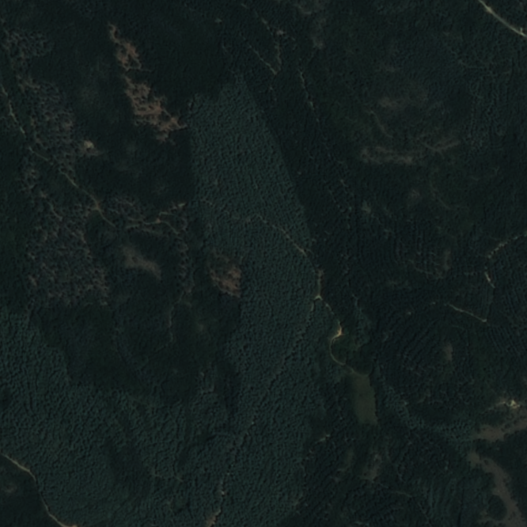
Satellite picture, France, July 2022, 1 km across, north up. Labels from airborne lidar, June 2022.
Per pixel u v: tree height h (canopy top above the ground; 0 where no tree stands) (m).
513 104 12
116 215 19
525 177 7
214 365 10
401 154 8
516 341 17
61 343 9
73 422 16
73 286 17
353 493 17
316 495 19
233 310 14
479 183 7
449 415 14
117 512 11
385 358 10
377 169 12
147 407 11
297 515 12
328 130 20
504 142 16
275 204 17
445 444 14
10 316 13
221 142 18
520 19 17
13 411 14
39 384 12
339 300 17
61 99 15
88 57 7
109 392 15
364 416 0
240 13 18
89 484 14
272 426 16
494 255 5
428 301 14
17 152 12
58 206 11
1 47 20
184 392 8
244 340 22
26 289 21
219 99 17
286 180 20
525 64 10
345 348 6
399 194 9
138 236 14
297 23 13
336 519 6
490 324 7
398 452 10
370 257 11
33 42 22
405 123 8
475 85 13
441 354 9
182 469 17
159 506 25
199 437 17
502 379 8
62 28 6
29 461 13
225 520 18
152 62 14
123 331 7
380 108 7
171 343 7
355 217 13
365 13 14
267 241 15
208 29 11
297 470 12
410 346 16
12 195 15
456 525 14
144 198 10
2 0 8
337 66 7
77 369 17
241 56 13
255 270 19
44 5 9
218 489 16
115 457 15
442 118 7
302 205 14
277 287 19
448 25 7
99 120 9
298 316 16
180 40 14
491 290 12
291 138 14
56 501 14
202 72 13
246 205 14
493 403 6
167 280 10
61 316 17
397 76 7
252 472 13
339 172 14
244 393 19
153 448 18
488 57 12
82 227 25
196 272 10
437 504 9
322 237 13
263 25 14
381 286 11
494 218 13
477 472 12
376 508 10
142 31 17
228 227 14
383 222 13
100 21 8
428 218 9
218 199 16
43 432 16
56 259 20
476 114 14
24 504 8
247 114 19
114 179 12
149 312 8
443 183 6
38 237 17
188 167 13
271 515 13
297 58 14
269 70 9
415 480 11
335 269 14
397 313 15
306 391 19
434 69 11
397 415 17
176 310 9
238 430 21
